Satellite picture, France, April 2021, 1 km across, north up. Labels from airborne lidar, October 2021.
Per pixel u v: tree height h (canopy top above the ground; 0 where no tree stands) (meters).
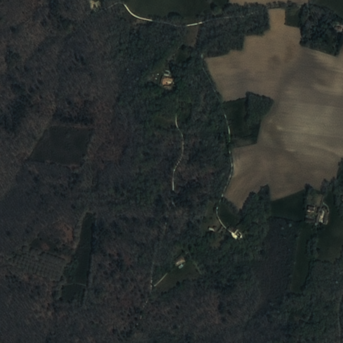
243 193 0
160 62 25
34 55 15
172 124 0
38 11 17
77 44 14
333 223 0
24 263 12
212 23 17
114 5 14
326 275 17
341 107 0
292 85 0
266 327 21
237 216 7
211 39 17
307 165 0
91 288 15
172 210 26
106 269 9
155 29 20
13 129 18
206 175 10
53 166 14
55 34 18
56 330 12
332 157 0
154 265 21
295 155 0
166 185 15
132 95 19
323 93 0
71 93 16
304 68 0
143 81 23
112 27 18
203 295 11
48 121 18
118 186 17
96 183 8
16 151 16
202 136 13
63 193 6
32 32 17
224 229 6
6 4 11
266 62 0
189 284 22
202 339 17
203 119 26
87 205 22
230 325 22
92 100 6
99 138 10
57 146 0
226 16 17
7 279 13
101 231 25
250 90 0
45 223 13
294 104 0
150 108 22
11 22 15
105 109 5
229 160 17
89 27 20
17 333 19
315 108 0
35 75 13
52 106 19
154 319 9
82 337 16
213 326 13
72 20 21
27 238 13
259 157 0
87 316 16
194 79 19
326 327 16
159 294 12
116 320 9
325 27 21
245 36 22
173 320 13
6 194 14
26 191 17
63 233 10
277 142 0
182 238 9
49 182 16
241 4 0
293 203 0
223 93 0
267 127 0
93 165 8
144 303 8
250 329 21
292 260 7
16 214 16
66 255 10
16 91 27
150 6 0
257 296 23
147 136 22
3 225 16
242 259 17
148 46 20
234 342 26
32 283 11
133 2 0
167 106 24
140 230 17
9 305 17
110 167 16
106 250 13
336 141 0
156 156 14
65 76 18
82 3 22
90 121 8
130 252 18
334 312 25
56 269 15
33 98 12
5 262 11
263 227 28
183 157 17
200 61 25
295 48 0
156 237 8
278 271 10
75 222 17
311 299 18
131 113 18
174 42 23
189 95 27
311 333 24
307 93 0
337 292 18
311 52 0
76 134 0
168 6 0
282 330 17
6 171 18
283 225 9
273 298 8
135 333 9
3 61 9
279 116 0
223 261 13
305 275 0
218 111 21
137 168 21
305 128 0
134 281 15
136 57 20
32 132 17
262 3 0
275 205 0
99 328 13
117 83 16
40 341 14
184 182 12
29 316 17
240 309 21
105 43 15
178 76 14
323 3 0
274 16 0
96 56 19
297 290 0
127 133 14
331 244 0
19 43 12
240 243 22
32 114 15
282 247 7
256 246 25
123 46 24
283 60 0
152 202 22
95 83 14
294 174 0
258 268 11
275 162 0
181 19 24
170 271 16
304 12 16
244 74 0
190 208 14
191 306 15
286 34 0
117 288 12
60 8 31
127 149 14
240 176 0
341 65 0
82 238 0
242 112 0
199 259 14
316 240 15
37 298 15
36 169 12
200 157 12
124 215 21
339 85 0
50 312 12
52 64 16
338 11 0
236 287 16
